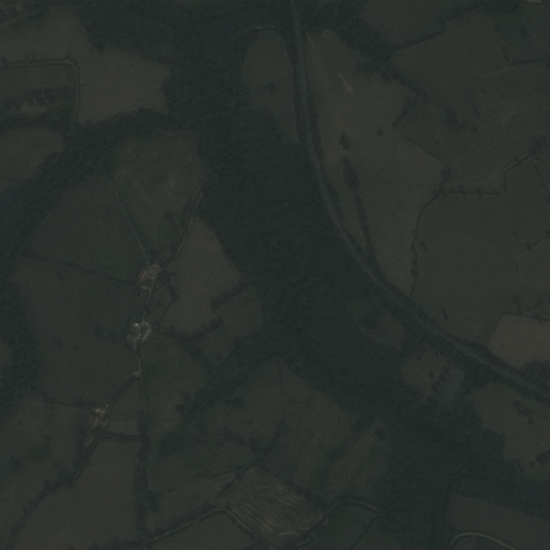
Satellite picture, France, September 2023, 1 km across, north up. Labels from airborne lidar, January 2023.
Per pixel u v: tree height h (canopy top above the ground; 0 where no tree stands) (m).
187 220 0
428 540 0
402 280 0
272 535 0
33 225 21
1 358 0
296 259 8
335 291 19
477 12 0
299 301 20
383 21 0
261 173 20
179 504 0
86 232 0
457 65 0
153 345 0
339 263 22
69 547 0
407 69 0
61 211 0
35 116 0
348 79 0
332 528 0
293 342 7
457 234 0
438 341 12
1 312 17
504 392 0
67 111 0
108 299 0
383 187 0
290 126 0
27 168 0
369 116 0
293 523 0
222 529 0
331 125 0
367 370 22
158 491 0
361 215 13
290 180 17
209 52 24
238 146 23
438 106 0
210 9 0
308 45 0
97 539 0
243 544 0
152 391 0
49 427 0
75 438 0
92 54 0
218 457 0
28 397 0
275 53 0
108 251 0
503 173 0
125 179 0
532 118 0
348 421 0
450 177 10
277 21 20
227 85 18
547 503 24
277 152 18
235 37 21
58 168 19
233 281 0
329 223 23
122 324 0
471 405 7
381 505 19
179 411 8
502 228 0
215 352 0
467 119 0
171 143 0
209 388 6
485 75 0
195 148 0
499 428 0
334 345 21
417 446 8
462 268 0
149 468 0
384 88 0
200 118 19
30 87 0
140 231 0
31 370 21
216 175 17
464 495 7
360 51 14
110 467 0
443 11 0
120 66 0
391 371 21
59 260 0
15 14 13
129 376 0
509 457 0
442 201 0
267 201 20
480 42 0
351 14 9
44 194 21
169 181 0
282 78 0
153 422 0
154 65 0
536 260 0
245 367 17
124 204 0
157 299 0
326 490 0
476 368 22
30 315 0
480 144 0
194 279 0
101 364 0
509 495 21
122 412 0
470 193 0
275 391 0
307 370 19
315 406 0
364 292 22
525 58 0
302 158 20
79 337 0
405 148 0
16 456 0
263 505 0
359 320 0
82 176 19
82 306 0
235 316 0
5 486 0
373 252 15
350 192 0
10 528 0
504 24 0
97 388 0
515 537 0
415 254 10
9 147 0
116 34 21
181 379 0
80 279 0
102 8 28
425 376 0
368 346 19
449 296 0
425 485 20
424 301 0
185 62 13
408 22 0
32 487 0
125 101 0
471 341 0
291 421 0
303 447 0
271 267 23
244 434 0
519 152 0
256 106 0
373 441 0
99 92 0
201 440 14
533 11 0
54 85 0
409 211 0
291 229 19
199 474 0
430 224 0
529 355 0
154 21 19
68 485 16
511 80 0
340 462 0
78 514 0
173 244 0
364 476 0
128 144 0
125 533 0
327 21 11
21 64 0
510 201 0
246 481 0
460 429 22
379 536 0
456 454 10
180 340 17
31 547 0
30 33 0
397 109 0
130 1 12
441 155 0
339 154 0
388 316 0
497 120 0
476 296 0
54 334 0
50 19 0
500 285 0
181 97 9
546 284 0
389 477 7
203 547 0
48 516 0
